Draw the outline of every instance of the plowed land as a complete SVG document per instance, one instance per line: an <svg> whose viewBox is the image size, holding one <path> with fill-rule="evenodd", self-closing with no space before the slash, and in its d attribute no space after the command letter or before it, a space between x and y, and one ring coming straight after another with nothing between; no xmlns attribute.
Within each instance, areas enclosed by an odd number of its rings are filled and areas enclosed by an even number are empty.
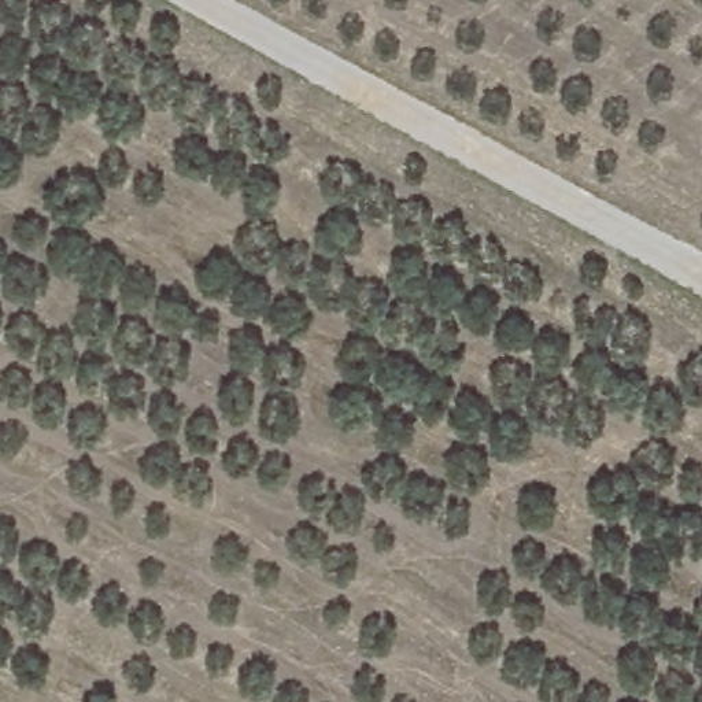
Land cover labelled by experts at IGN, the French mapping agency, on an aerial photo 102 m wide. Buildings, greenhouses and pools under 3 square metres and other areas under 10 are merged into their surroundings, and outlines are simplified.
<svg viewBox="0 0 702 702"><path fill-rule="evenodd" d="M452 252L452 266L436 263L433 277L450 280L450 285L463 296L463 304L485 299L485 304L496 304L496 291L505 288L505 282L477 282L469 288L461 271L469 269L469 263L461 252Z"/></svg>
<svg viewBox="0 0 702 702"><path fill-rule="evenodd" d="M411 351L389 348L387 362L392 367L409 367L411 376L417 376L420 387L431 381L433 370L428 370Z"/></svg>
<svg viewBox="0 0 702 702"><path fill-rule="evenodd" d="M395 230L389 214L376 222L362 222L362 250L359 255L348 258L356 274L381 277L389 271Z"/></svg>
<svg viewBox="0 0 702 702"><path fill-rule="evenodd" d="M576 356L573 367L562 367L562 378L568 381L568 387L579 387L579 381L595 387L595 373L603 370L609 370L617 381L625 384L644 381L647 373L672 381L677 376L677 362L686 359L688 351L697 351L702 346L702 288L694 291L669 280L653 266L642 263L639 258L617 247L609 247L603 239L570 225L568 219L551 214L537 203L529 203L513 189L505 189L488 176L461 165L458 159L414 140L409 132L389 126L387 121L378 121L373 112L356 107L354 101L310 82L304 74L280 66L261 49L228 36L225 30L203 22L189 11L176 8L170 0L140 0L140 19L134 25L137 38L151 36L151 19L156 11L176 11L178 44L173 55L178 60L178 69L184 74L211 74L222 90L247 93L258 118L277 118L282 132L291 134L288 154L274 167L280 176L280 195L271 217L277 219L282 239L307 241L315 236L315 222L329 208L321 195L318 173L324 170L329 156L351 156L376 178L392 178L398 197L428 195L436 219L452 208L461 208L469 233L480 236L483 263L494 263L499 258L488 247L488 233L496 233L510 258L527 258L540 266L540 296L529 299L524 310L505 310L505 315L496 321L499 326L524 326L532 321L535 326L554 324L568 329L576 324L573 299L579 293L587 293L590 313L595 313L601 304L617 304L617 310L639 307L650 315L653 340L644 367L622 367L620 362L614 362L614 354L609 354L606 346L584 346L581 337L573 337L568 346L568 351ZM282 99L277 107L263 107L258 96L258 77L266 71L277 71L282 77ZM425 156L425 176L420 184L406 181L406 156L414 151ZM579 263L587 252L601 252L606 258L603 282L581 282Z"/></svg>
<svg viewBox="0 0 702 702"><path fill-rule="evenodd" d="M661 601L661 606L669 609L664 614L664 625L675 631L683 631L688 612L694 612L702 603L702 562L691 557L672 559L669 579L661 595L647 590L631 590L625 601L642 603L647 609Z"/></svg>
<svg viewBox="0 0 702 702"><path fill-rule="evenodd" d="M77 376L69 376L63 387L69 403L101 406L110 400L107 387L80 387Z"/></svg>
<svg viewBox="0 0 702 702"><path fill-rule="evenodd" d="M675 444L672 480L664 485L661 494L677 505L683 463L688 458L702 455L702 411L697 406L686 411L683 428L669 439Z"/></svg>
<svg viewBox="0 0 702 702"><path fill-rule="evenodd" d="M403 447L400 458L409 469L420 469L441 480L447 472L444 450L455 441L455 431L447 420L428 425L425 420L417 420L411 444Z"/></svg>
<svg viewBox="0 0 702 702"><path fill-rule="evenodd" d="M14 362L30 370L33 381L44 381L44 373L38 367L41 346L33 346L27 354L11 351L5 343L8 315L19 307L14 299L8 299L8 293L0 285L0 370L8 362Z"/></svg>
<svg viewBox="0 0 702 702"><path fill-rule="evenodd" d="M516 688L502 680L502 658L477 664L469 653L469 631L485 620L485 609L477 598L477 579L483 570L505 568L510 576L510 590L518 592L516 606L543 603L543 622L537 628L518 628L513 620L513 609L502 609L502 639L543 642L551 658L568 658L568 664L579 669L581 677L601 680L606 686L617 683L617 650L622 647L622 631L584 620L581 606L559 603L540 584L540 579L521 576L513 559L513 546L521 537L535 537L546 546L546 554L554 554L554 568L573 570L581 565L579 557L592 548L592 537L598 543L642 543L642 532L633 527L631 516L620 516L620 527L595 527L595 513L587 505L587 485L598 488L606 483L617 483L609 466L628 461L631 450L642 439L647 439L644 414L633 411L633 420L622 420L622 414L606 414L603 436L595 439L590 447L565 444L565 439L535 433L529 455L524 461L488 461L491 477L469 502L469 532L461 537L447 537L444 529L431 518L414 521L403 516L400 505L395 502L373 499L365 502L359 527L326 537L335 546L351 543L356 548L356 573L348 584L326 581L321 562L296 562L288 554L285 537L293 524L304 521L304 510L299 507L299 480L310 472L321 472L332 477L340 488L356 488L362 483L362 463L378 455L373 422L359 425L354 431L332 428L329 398L346 400L348 395L362 395L367 403L373 403L381 400L381 395L365 384L340 381L335 356L343 337L348 335L348 315L340 310L324 310L313 318L310 329L293 343L304 356L304 373L296 389L299 431L288 441L271 441L261 433L258 420L266 395L266 381L261 367L250 370L252 406L247 420L230 425L219 406L217 387L233 387L236 381L236 370L228 370L230 329L255 324L266 343L277 343L280 337L263 315L239 318L230 302L206 296L195 280L195 263L211 247L228 247L233 241L236 228L244 222L244 203L241 192L219 195L211 181L189 178L176 170L173 143L176 137L181 137L181 129L173 118L173 110L148 112L140 132L129 137L123 148L129 159L126 178L104 192L101 211L85 225L85 230L93 239L115 241L115 247L126 255L129 263L148 263L156 274L156 282L178 282L203 310L219 313L219 326L214 337L203 340L195 329L184 329L184 340L189 343L189 370L184 381L176 381L173 387L178 403L192 409L206 406L217 417L217 447L208 455L208 472L214 483L211 496L200 507L195 507L189 496L176 496L173 483L151 485L140 477L140 455L145 447L156 441L156 431L148 425L145 411L126 411L126 417L110 417L101 441L74 447L69 441L66 425L47 431L36 422L30 406L8 406L8 400L0 395L0 422L16 420L27 431L27 439L16 455L0 455L0 516L14 516L19 537L44 537L55 543L63 559L80 559L90 573L82 598L60 598L52 603L55 614L47 633L19 625L16 614L5 617L3 628L11 633L14 644L38 644L49 655L44 683L19 686L14 669L0 666L0 702L80 702L85 691L99 680L112 683L118 702L233 702L239 697L239 669L255 653L266 653L274 661L274 675L280 680L299 680L313 702L348 702L354 672L362 664L370 664L384 675L387 702L535 702L535 686ZM143 206L134 197L134 176L145 165L156 165L165 176L165 192L154 206ZM263 488L258 477L250 472L244 477L230 477L222 466L222 455L228 450L230 436L236 433L247 433L258 444L258 450L288 452L288 474L269 488ZM99 494L85 499L69 494L66 477L69 461L80 455L90 455L90 461L101 469ZM110 502L115 480L126 480L134 488L134 502L123 516L115 516ZM535 480L548 483L557 491L557 513L548 529L518 527L518 488ZM151 537L145 532L145 510L151 502L162 502L170 516L170 529L162 537ZM88 516L88 532L80 540L66 537L66 518L71 513ZM376 521L387 521L395 532L395 546L389 551L376 551L373 546ZM217 573L211 562L214 540L228 532L236 532L250 551L239 570ZM140 579L140 559L148 557L165 565L156 584L143 584ZM274 587L255 584L258 559L280 565ZM192 625L195 653L186 658L173 658L167 642L137 642L129 625L101 625L93 614L93 598L104 581L118 581L126 598L145 598L159 603L165 622L170 628ZM239 598L233 625L219 625L211 620L208 603L214 592L228 592ZM348 598L351 603L346 622L340 622L337 628L326 625L324 620L324 606L332 598ZM387 655L359 650L359 625L370 612L395 614L395 636ZM214 642L233 647L230 666L222 675L208 672L206 666L206 653ZM137 653L145 653L156 669L151 688L132 688L129 677L123 675L123 661Z"/></svg>
<svg viewBox="0 0 702 702"><path fill-rule="evenodd" d="M58 167L96 167L101 151L107 148L107 137L101 134L96 115L63 121L52 151L47 156L25 156L19 181L8 189L0 189L0 239L5 244L14 241L14 217L25 208L33 208L41 217L47 214L41 186Z"/></svg>
<svg viewBox="0 0 702 702"><path fill-rule="evenodd" d="M702 0L236 0L269 16L271 22L288 27L291 33L335 52L356 69L436 107L458 123L472 126L474 132L491 137L507 151L551 170L554 176L595 195L598 200L669 233L672 239L697 244L702 250ZM562 27L557 30L554 41L546 41L537 33L537 16L543 8L562 11ZM653 44L647 36L647 22L658 11L669 11L675 19L675 33L666 47ZM346 14L356 14L362 19L362 36L356 41L343 41L340 36L340 19ZM463 19L480 22L485 36L480 49L458 49L455 27ZM595 27L601 33L601 55L595 60L576 58L573 36L579 27ZM373 47L378 30L392 30L398 36L398 55L389 60L378 58ZM436 69L425 80L411 74L411 58L420 47L431 47L436 52ZM535 90L532 85L529 63L535 58L548 58L554 63L557 74L548 90ZM647 74L653 66L669 66L669 99L650 99ZM474 93L466 99L458 99L447 90L447 77L455 69L469 69L474 74ZM579 112L568 112L562 104L562 85L573 74L587 74L592 80L592 99ZM510 112L505 121L494 123L483 118L480 104L485 90L496 85L505 85L510 90ZM609 96L628 99L628 123L622 132L612 132L609 126L603 126L601 112ZM518 129L518 118L529 107L540 110L543 115L540 137L521 134ZM644 151L639 145L636 134L642 121L655 121L664 126L664 143L653 151ZM557 154L557 137L562 134L579 134L579 151L573 159L559 159ZM617 151L617 167L606 181L601 181L595 170L595 156L603 148Z"/></svg>
<svg viewBox="0 0 702 702"><path fill-rule="evenodd" d="M60 326L71 321L77 310L80 285L71 277L49 277L47 291L36 296L36 313L47 326Z"/></svg>
<svg viewBox="0 0 702 702"><path fill-rule="evenodd" d="M463 343L466 354L452 367L452 381L474 384L480 392L485 392L491 389L488 367L491 359L496 359L496 343L494 337L461 329L458 340Z"/></svg>

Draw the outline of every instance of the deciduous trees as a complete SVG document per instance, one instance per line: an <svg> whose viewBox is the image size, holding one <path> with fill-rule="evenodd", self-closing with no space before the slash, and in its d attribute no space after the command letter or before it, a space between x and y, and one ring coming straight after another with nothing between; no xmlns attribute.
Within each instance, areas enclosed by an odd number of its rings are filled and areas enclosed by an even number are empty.
<svg viewBox="0 0 702 702"><path fill-rule="evenodd" d="M431 47L420 47L411 58L411 74L425 80L436 69L436 52Z"/></svg>
<svg viewBox="0 0 702 702"><path fill-rule="evenodd" d="M214 540L211 562L217 573L239 570L250 551L236 532L228 532Z"/></svg>
<svg viewBox="0 0 702 702"><path fill-rule="evenodd" d="M277 71L266 71L258 77L258 96L263 107L277 107L282 99L282 77Z"/></svg>
<svg viewBox="0 0 702 702"><path fill-rule="evenodd" d="M162 502L151 502L145 510L145 532L151 537L162 537L170 529L170 516Z"/></svg>
<svg viewBox="0 0 702 702"><path fill-rule="evenodd" d="M80 540L88 532L88 516L71 513L66 518L66 537Z"/></svg>
<svg viewBox="0 0 702 702"><path fill-rule="evenodd" d="M669 99L669 66L653 66L647 74L650 99Z"/></svg>
<svg viewBox="0 0 702 702"><path fill-rule="evenodd" d="M666 47L675 33L675 19L669 11L658 11L647 22L647 36L653 44Z"/></svg>
<svg viewBox="0 0 702 702"><path fill-rule="evenodd" d="M148 557L140 559L140 579L143 584L156 584L165 565Z"/></svg>
<svg viewBox="0 0 702 702"><path fill-rule="evenodd" d="M466 99L474 93L474 74L469 69L455 69L447 77L447 90L458 99Z"/></svg>
<svg viewBox="0 0 702 702"><path fill-rule="evenodd" d="M80 455L69 461L66 477L69 494L85 499L99 494L101 469L90 461L90 455Z"/></svg>
<svg viewBox="0 0 702 702"><path fill-rule="evenodd" d="M206 653L206 666L208 672L222 675L230 666L233 647L214 642Z"/></svg>
<svg viewBox="0 0 702 702"><path fill-rule="evenodd" d="M170 628L165 622L159 603L145 598L126 598L118 581L104 581L93 598L93 614L101 625L129 625L137 642L167 642L173 658L186 658L195 653L192 625Z"/></svg>
<svg viewBox="0 0 702 702"><path fill-rule="evenodd" d="M233 625L239 598L228 592L214 592L208 603L211 620L219 625Z"/></svg>
<svg viewBox="0 0 702 702"><path fill-rule="evenodd" d="M359 625L359 650L387 655L395 636L395 614L370 612Z"/></svg>
<svg viewBox="0 0 702 702"><path fill-rule="evenodd" d="M99 680L85 691L80 702L118 702L112 683Z"/></svg>
<svg viewBox="0 0 702 702"><path fill-rule="evenodd" d="M592 80L587 74L573 74L562 85L562 104L568 112L579 112L592 99Z"/></svg>
<svg viewBox="0 0 702 702"><path fill-rule="evenodd" d="M143 206L154 206L165 192L165 176L156 165L145 165L134 176L134 197Z"/></svg>
<svg viewBox="0 0 702 702"><path fill-rule="evenodd" d="M274 661L266 653L255 653L239 669L239 697L233 702L313 702L299 680L280 680L274 675Z"/></svg>
<svg viewBox="0 0 702 702"><path fill-rule="evenodd" d="M529 63L532 85L535 90L548 90L557 74L554 63L548 58L535 58Z"/></svg>
<svg viewBox="0 0 702 702"><path fill-rule="evenodd" d="M463 19L455 27L458 49L480 49L485 36L480 22Z"/></svg>
<svg viewBox="0 0 702 702"><path fill-rule="evenodd" d="M340 19L340 36L343 41L356 41L362 36L362 19L356 14L346 14Z"/></svg>
<svg viewBox="0 0 702 702"><path fill-rule="evenodd" d="M110 502L115 516L123 516L134 502L134 488L126 480L115 480Z"/></svg>
<svg viewBox="0 0 702 702"><path fill-rule="evenodd" d="M661 494L664 485L672 480L675 444L669 439L683 428L686 411L697 406L702 411L702 346L697 351L688 351L686 359L677 362L677 376L672 381L647 373L644 381L625 384L617 381L609 370L603 370L595 373L595 387L579 381L579 387L568 387L568 381L562 378L562 367L573 367L576 356L568 351L568 346L573 337L581 337L584 346L606 346L609 354L614 354L614 362L620 362L622 367L644 367L653 340L650 315L639 307L617 310L617 304L601 304L595 313L590 313L587 293L579 293L573 299L576 324L568 329L554 324L535 326L532 321L524 326L499 326L496 321L505 315L505 310L524 310L529 299L540 296L540 266L527 258L510 258L496 233L488 233L488 247L499 258L494 263L483 263L480 236L469 233L461 208L452 208L436 219L428 195L398 197L392 178L376 178L351 156L329 156L324 170L318 173L321 195L329 208L315 222L315 236L307 241L282 239L277 219L271 217L280 195L280 176L274 167L288 154L291 134L282 132L277 118L258 118L247 93L222 90L211 74L184 74L178 69L178 60L173 55L178 44L176 11L156 11L151 19L151 36L137 38L134 25L140 19L140 0L0 0L0 189L8 189L19 181L25 156L47 156L52 151L63 121L96 115L101 134L107 137L107 148L101 151L96 167L58 167L41 186L47 214L41 217L33 208L25 208L14 217L14 241L5 244L0 239L0 285L8 293L8 299L14 299L19 307L8 315L5 343L11 351L27 354L33 346L41 346L38 367L44 373L44 381L33 381L30 370L14 362L8 362L0 370L0 395L8 400L8 406L30 406L36 422L47 431L66 425L69 441L74 447L101 441L110 417L126 417L126 411L145 411L148 425L156 431L156 441L145 447L140 455L140 477L151 485L173 483L176 496L189 496L195 507L200 507L211 496L214 483L208 472L208 455L217 447L217 417L206 406L192 409L178 403L173 387L176 381L184 381L189 370L189 343L184 340L184 329L195 329L203 340L214 337L219 326L219 313L203 310L178 282L156 282L156 274L148 263L129 263L126 255L115 247L115 241L93 239L85 230L85 225L101 211L104 192L126 178L129 159L123 148L129 137L140 132L148 112L173 110L173 118L181 129L181 137L176 137L173 143L176 170L189 178L211 181L219 195L241 192L244 203L244 222L236 228L233 241L228 247L211 247L195 263L195 280L206 296L230 302L239 318L263 315L280 337L277 343L266 343L255 324L230 329L228 370L236 370L236 381L233 387L217 387L219 406L230 425L247 420L252 406L250 370L261 367L266 381L266 395L258 420L261 433L271 441L288 441L299 431L296 389L304 373L304 356L293 343L310 329L313 318L324 310L340 310L348 315L348 335L343 337L335 356L340 381L365 384L381 395L381 400L373 403L367 403L362 395L348 395L346 400L329 398L332 428L354 431L359 425L373 422L378 455L362 463L362 483L356 488L340 488L332 477L321 472L310 472L299 480L299 507L304 510L304 521L293 524L285 537L288 554L296 562L321 562L326 581L348 584L356 573L356 548L351 543L335 546L326 537L359 527L365 502L373 499L395 502L400 505L403 516L414 521L431 518L444 529L447 537L461 537L469 532L469 502L491 477L488 461L524 461L529 455L535 433L565 439L565 444L590 447L595 439L603 436L606 414L622 414L622 420L633 420L633 411L644 414L647 439L642 439L631 450L628 461L609 466L617 483L606 483L598 488L587 485L587 505L595 513L595 527L620 527L620 516L631 516L633 527L642 532L642 543L598 543L592 537L592 548L579 557L581 565L573 570L554 568L554 554L546 554L546 546L535 537L521 537L513 546L513 559L521 576L540 579L540 584L559 603L581 606L584 620L622 631L622 647L617 650L617 683L606 686L601 680L581 677L579 669L568 664L568 658L551 658L543 642L502 639L502 609L513 609L513 620L518 628L537 628L543 622L543 603L516 606L518 592L510 590L510 576L505 568L483 570L477 579L477 598L485 609L485 620L469 631L469 653L477 664L502 658L502 680L516 688L535 686L535 702L702 702L702 603L694 612L688 612L683 631L675 631L664 625L664 614L669 609L661 606L661 601L647 609L642 603L625 601L631 590L647 590L661 595L669 579L672 559L691 557L702 562L702 455L688 458L683 463L677 505ZM348 258L359 255L362 250L362 222L376 222L389 214L395 230L389 271L381 277L356 274ZM469 263L469 269L461 271L469 288L477 282L505 282L505 288L496 291L496 304L485 304L485 299L463 304L463 296L450 285L450 280L433 277L436 263L452 266L452 252L461 252ZM71 277L80 285L77 310L71 321L60 326L47 326L36 313L36 296L47 291L49 277ZM466 354L463 343L458 340L461 329L494 337L496 343L496 359L491 359L488 367L491 389L485 392L480 392L474 384L452 381L452 367ZM420 387L417 376L411 376L409 367L392 367L387 362L389 348L411 351L428 370L433 370L431 381ZM80 387L107 387L110 400L101 406L69 403L63 387L69 376L77 376ZM403 447L411 444L417 420L425 420L428 425L447 420L455 431L455 441L444 450L447 472L441 480L420 469L409 469L400 458Z"/></svg>
<svg viewBox="0 0 702 702"><path fill-rule="evenodd" d="M348 598L332 598L324 606L324 620L326 625L337 628L340 622L346 622L351 603Z"/></svg>
<svg viewBox="0 0 702 702"><path fill-rule="evenodd" d="M628 99L609 96L601 112L603 126L609 126L612 132L622 132L628 123Z"/></svg>
<svg viewBox="0 0 702 702"><path fill-rule="evenodd" d="M537 33L546 41L554 41L557 30L562 27L562 11L543 8L537 16Z"/></svg>
<svg viewBox="0 0 702 702"><path fill-rule="evenodd" d="M636 134L639 145L644 151L653 151L664 143L664 126L655 121L642 121Z"/></svg>
<svg viewBox="0 0 702 702"><path fill-rule="evenodd" d="M376 521L373 546L376 551L389 551L395 546L395 532L387 521Z"/></svg>
<svg viewBox="0 0 702 702"><path fill-rule="evenodd" d="M480 104L483 118L494 123L505 121L510 112L510 90L505 85L496 85L485 90Z"/></svg>
<svg viewBox="0 0 702 702"><path fill-rule="evenodd" d="M548 483L535 480L518 488L518 527L548 529L557 513L557 491Z"/></svg>
<svg viewBox="0 0 702 702"><path fill-rule="evenodd" d="M579 263L581 282L603 282L606 258L601 252L587 252Z"/></svg>
<svg viewBox="0 0 702 702"><path fill-rule="evenodd" d="M47 633L55 614L52 603L60 598L82 598L90 573L80 559L63 559L55 543L44 537L19 537L14 516L0 516L0 666L14 669L19 686L44 683L49 655L38 644L14 644L11 633L3 628L5 617L16 614L19 625Z"/></svg>
<svg viewBox="0 0 702 702"><path fill-rule="evenodd" d="M425 176L425 156L414 151L406 156L406 181L420 184Z"/></svg>
<svg viewBox="0 0 702 702"><path fill-rule="evenodd" d="M579 27L573 36L576 58L595 60L601 55L601 33L595 27Z"/></svg>
<svg viewBox="0 0 702 702"><path fill-rule="evenodd" d="M362 664L354 672L348 702L387 702L384 675L370 664Z"/></svg>
<svg viewBox="0 0 702 702"><path fill-rule="evenodd" d="M129 677L132 688L151 688L156 669L145 653L137 653L123 661L123 675Z"/></svg>
<svg viewBox="0 0 702 702"><path fill-rule="evenodd" d="M16 420L0 422L0 455L16 455L27 439L27 431Z"/></svg>
<svg viewBox="0 0 702 702"><path fill-rule="evenodd" d="M398 55L398 36L392 30L378 30L373 47L378 58L389 60Z"/></svg>
<svg viewBox="0 0 702 702"><path fill-rule="evenodd" d="M603 148L595 156L595 170L601 181L606 181L617 167L617 151Z"/></svg>
<svg viewBox="0 0 702 702"><path fill-rule="evenodd" d="M557 154L559 159L573 159L579 151L579 134L562 134L557 137Z"/></svg>
<svg viewBox="0 0 702 702"><path fill-rule="evenodd" d="M255 584L274 587L280 565L258 559Z"/></svg>
<svg viewBox="0 0 702 702"><path fill-rule="evenodd" d="M230 436L228 450L222 455L222 466L230 477L244 477L250 472L258 477L263 488L269 488L288 474L288 452L258 450L258 444L247 433L236 433Z"/></svg>
<svg viewBox="0 0 702 702"><path fill-rule="evenodd" d="M540 137L543 115L540 110L529 107L518 118L518 129L521 134Z"/></svg>

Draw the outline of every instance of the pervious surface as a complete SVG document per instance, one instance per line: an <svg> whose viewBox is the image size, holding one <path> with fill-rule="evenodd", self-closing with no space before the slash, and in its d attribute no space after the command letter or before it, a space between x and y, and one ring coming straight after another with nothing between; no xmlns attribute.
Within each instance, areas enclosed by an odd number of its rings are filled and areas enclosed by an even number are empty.
<svg viewBox="0 0 702 702"><path fill-rule="evenodd" d="M505 189L513 189L529 203L537 203L551 214L568 219L570 225L603 239L609 247L617 247L639 258L642 263L653 266L669 280L694 291L702 288L702 250L697 244L672 239L669 233L598 200L595 195L554 176L551 170L507 151L491 137L474 132L472 126L458 123L436 107L356 69L335 52L291 33L288 27L271 22L269 16L236 0L170 0L176 8L189 11L203 22L225 30L228 36L261 49L280 66L304 74L310 82L354 101L356 107L373 112L378 121L387 121L389 126L409 132L414 140L458 159L461 165L488 176Z"/></svg>

